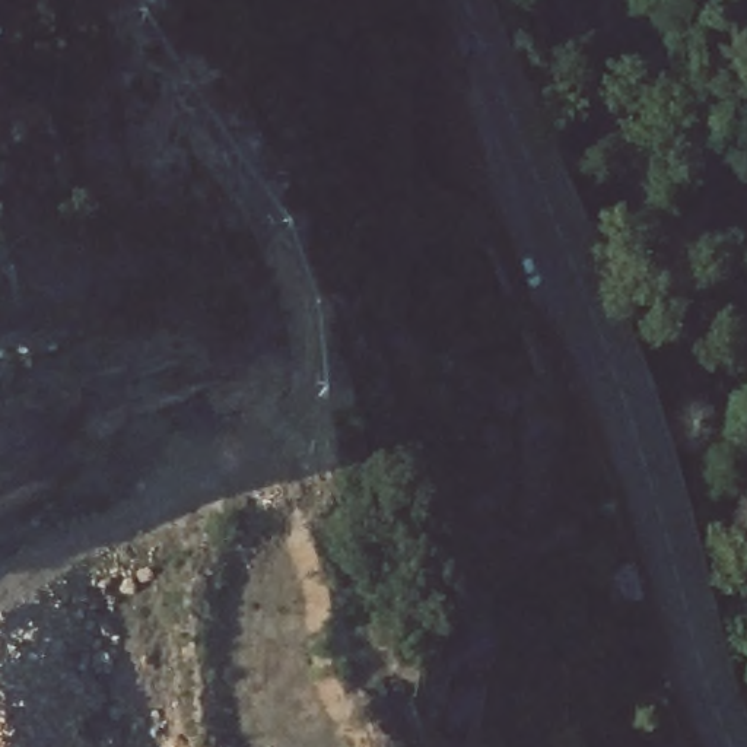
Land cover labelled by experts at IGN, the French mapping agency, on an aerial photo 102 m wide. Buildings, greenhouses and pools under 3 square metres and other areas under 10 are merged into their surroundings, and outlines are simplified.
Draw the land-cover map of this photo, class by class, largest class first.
<instances>
[{"label":"deciduous trees","instance_id":"1","mask_svg":"<svg viewBox=\"0 0 747 747\"><path fill-rule=\"evenodd\" d=\"M114 18L105 0H0V496L44 481L53 493V502L47 505V531L55 540L67 537L70 519L108 514L120 502L131 499L137 481H146L160 467L163 449L169 446L172 435L181 432L187 438H233L239 432L242 409L213 411L207 382L248 379V368L263 356H274V362L295 359L289 321L295 318V312H289L280 301L277 274L266 263V251L257 245L251 231L233 233L228 228L225 213L233 201L228 198L225 187L213 178V172L198 160V155L187 160V178L172 184L149 181V169L131 163L123 137L131 125H146L152 120L155 105L160 102V79L149 73L143 79H134L131 85L120 82V76L114 73ZM441 0H163L155 3L152 15L158 18L160 29L172 38L175 50L184 55H201L210 67L219 70V79L207 88L213 108L219 114L236 111L242 120H257V131L263 140L260 163L268 169L289 172V190L283 196L289 216H283V225L295 222V228L306 239L309 266L315 271L330 315V356L336 353L350 374L353 409H333L336 455L344 467L333 470V499L309 522V537L321 563V578L330 589L338 578L350 575L356 595L365 604V616L371 622L400 633L394 642L397 659L400 665L414 668H423L429 662L438 674L446 677V689H458L461 694L473 689L484 694L481 747H706L694 727L683 686H671V677L665 671L668 662H674L668 616L659 607V587L630 514V493L610 455L604 420L598 417L592 391L578 374V362L566 347V338L557 336L554 318H549L546 306L534 303L531 298V286H540V271L534 260H505V251L496 236V216L476 213L470 201L458 198L461 187L446 143L429 128L417 134V125L423 123V108L438 105L441 44L435 29L441 26ZM505 35H511L516 47L511 58V73L528 82L531 96L525 102L522 123L525 137L537 146L540 155L525 172L516 175V181L522 187L540 190L537 204H543L549 228L566 219L587 239L578 274V306L584 312H592L601 330L616 344L619 356L607 365L610 379H616L619 391L630 400H642L657 385L654 397L662 403L665 417L683 429L648 461V467L657 476V487L665 493L659 508H665L668 522H677L686 514L706 534V549L712 554L709 595L721 598L715 604V613L727 622V642L735 654L709 680L700 683L706 706H721L724 718H732L744 706L747 715V0H514L505 9Z\"/></svg>","mask_w":747,"mask_h":747},{"label":"pervious surface","instance_id":"2","mask_svg":"<svg viewBox=\"0 0 747 747\"><path fill-rule=\"evenodd\" d=\"M155 3L163 0H105L114 18V73L120 76V82L131 85L134 79H143L149 73L160 79V102L155 105L152 120L146 125H131L123 137L131 163L149 169V181L172 184L187 178V160L198 155V160L213 172V178L225 187L228 198L233 201L225 213L228 228L233 233L251 231L257 245L266 251V263L277 274L280 301L289 312H295V318L289 321L295 359L274 362V356H263L248 368V379L207 382L213 411L242 409L239 432L233 438H187L181 432L172 435L169 446L163 449L160 467L146 481H137L131 499L120 502L108 514L70 519L67 537L55 540L47 531V505L53 502V493L44 481L0 496V747H201L204 718H193L184 724L181 703L172 700L166 706L160 700V680L172 683V668L163 659L166 630L158 613L152 610L149 592L160 584V575L166 572V566L158 563L155 554L163 549L166 531H175L181 549L207 546L210 522L219 514L239 511L251 502L263 508H277L292 522L289 537H271L245 566L248 584L242 589V630L239 651L233 659L245 668V680H239L236 686L239 727L254 747H385L388 735L371 724L374 718L365 709V694L344 692V686L333 674V659L327 657L330 639L321 630L330 619V589L321 578V563L309 537V522L333 499V470L344 467L336 455L333 409H353L350 374L336 353L330 356V315L315 271L309 266L306 239L295 228V222L283 225V216H289L283 196L289 190V172L268 169L260 163L263 140L257 131V120H242L236 111L219 114L213 108L207 88L219 79V70L210 67L201 55H184L175 50L172 38L160 29L158 18L152 15ZM359 633L371 639V645L382 654L385 665L397 659L394 642L400 633L371 622L362 624Z\"/></svg>","mask_w":747,"mask_h":747},{"label":"impervious surface","instance_id":"3","mask_svg":"<svg viewBox=\"0 0 747 747\"><path fill-rule=\"evenodd\" d=\"M514 0H441V26L435 29L441 44L438 105L423 108V123L417 125V134L429 128L446 143L461 187L458 198L470 201L476 213L496 216V236L505 251V260H534L540 271V286H531V298L534 303L546 306L549 318H554L557 336L566 338V347L578 362V374L592 391L598 417L604 420L610 455L630 493V514L659 587V607L668 616L674 662H668L665 671L671 677V686H683L694 727L706 747H747V715L744 706L732 718H724L721 706H706L700 683L709 680L735 654L727 642V622L715 613V604L721 598L709 595L712 554L706 549V534L686 514L677 522H668L665 508H659L665 493L657 487V476L648 467V461L683 429L665 417L662 403L654 397L657 385L642 400H630L619 391L616 379H610L607 365L619 356L616 344L601 330L592 312H584L578 306V274L587 239L566 219L549 228L543 204H537L540 190L522 187L516 181V175L525 172L540 155L537 146L525 137L522 123L525 102L531 96L528 82L511 73V58L516 47L511 35H505V9Z\"/></svg>","mask_w":747,"mask_h":747},{"label":"herbaceous vegetation","instance_id":"4","mask_svg":"<svg viewBox=\"0 0 747 747\"><path fill-rule=\"evenodd\" d=\"M292 522L277 508H263L251 502L239 511L219 514L210 522L207 546L181 549L175 531H166L163 549L155 554L158 563L166 566V572L160 575V584L149 592L152 610L158 613L166 630L163 659L172 668V683L160 680V700L166 706L172 700L181 703L184 724L193 718H204L201 747H254L239 727L236 686L239 680H245V668L233 659L239 651L242 630V589L248 584L245 566L271 537H289ZM371 622L365 616V604L356 595L350 575L338 578L330 589V619L321 630L330 639L327 657L333 659V674L344 686V692L365 694V709L374 718L371 724L388 735L385 747H481L484 694L473 689L461 694L458 689H446V677L438 674L429 662L423 668H414L400 665L397 659L385 665L382 654L371 645V639L359 633L362 624Z\"/></svg>","mask_w":747,"mask_h":747}]
</instances>
